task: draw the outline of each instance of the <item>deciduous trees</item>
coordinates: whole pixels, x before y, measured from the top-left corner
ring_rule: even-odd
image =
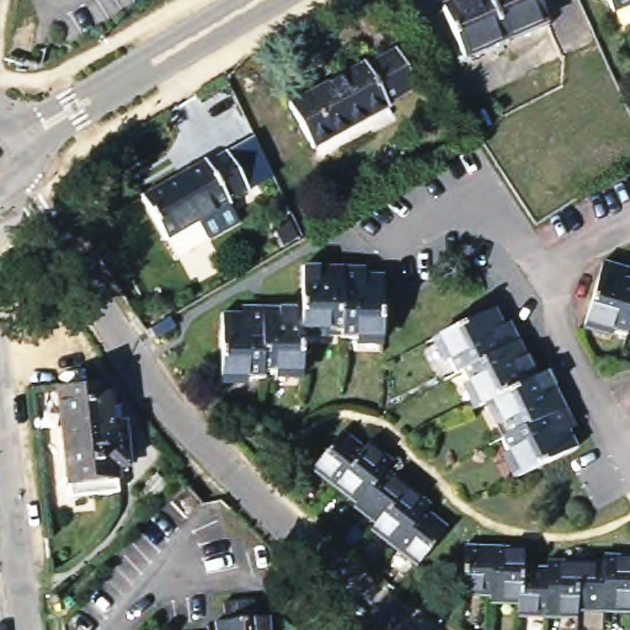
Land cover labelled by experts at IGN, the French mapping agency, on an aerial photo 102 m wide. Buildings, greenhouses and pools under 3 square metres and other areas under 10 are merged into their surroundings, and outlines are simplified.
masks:
[[[246,57],[263,71],[266,79],[273,81],[273,96],[278,98],[285,94],[295,103],[298,91],[305,89],[305,66],[327,62],[330,71],[337,74],[352,59],[357,62],[362,59],[362,54],[369,54],[367,44],[352,42],[352,37],[357,34],[369,34],[374,42],[394,39],[404,47],[404,52],[411,59],[411,91],[426,96],[421,106],[426,108],[426,116],[438,126],[438,130],[423,133],[416,128],[411,118],[401,118],[396,123],[396,130],[386,140],[386,148],[406,150],[404,160],[396,160],[386,172],[374,170],[372,165],[362,165],[354,189],[349,185],[322,177],[317,182],[303,180],[295,185],[300,212],[305,236],[317,251],[322,251],[325,246],[335,246],[335,239],[347,229],[367,226],[364,219],[374,212],[384,207],[394,209],[399,197],[406,197],[413,187],[428,187],[431,180],[441,177],[441,172],[448,172],[445,165],[455,155],[460,158],[477,153],[477,148],[485,145],[485,138],[480,135],[480,121],[468,111],[460,111],[455,91],[448,84],[438,81],[438,76],[455,59],[450,57],[450,49],[445,49],[433,37],[431,27],[421,20],[411,0],[327,0],[313,5],[305,15],[293,15],[285,22],[276,25],[263,37],[263,42]]]
[[[473,234],[450,231],[445,236],[445,251],[441,251],[438,261],[426,258],[428,276],[443,295],[463,293],[470,295],[473,303],[492,293],[487,285],[487,271],[477,263],[482,256],[492,251],[492,241]]]
[[[234,224],[229,224],[229,229],[221,234],[224,239],[219,239],[214,246],[212,263],[217,271],[221,278],[229,281],[246,278],[266,258],[266,246],[276,246],[278,241],[283,241],[283,236],[278,234],[281,212],[276,197],[278,192],[276,180],[263,180],[258,185],[261,194],[246,207],[246,217],[234,219]]]
[[[364,630],[359,625],[362,615],[349,610],[347,605],[340,605],[335,571],[325,561],[308,554],[288,549],[276,564],[268,566],[261,591],[268,596],[271,608],[283,615],[283,630]]]
[[[143,281],[140,271],[145,268],[148,251],[160,239],[140,204],[143,194],[148,197],[155,187],[153,182],[145,182],[145,177],[150,175],[153,162],[162,153],[167,153],[172,143],[160,135],[158,123],[150,116],[128,121],[126,126],[121,126],[121,130],[106,135],[96,148],[91,148],[86,158],[74,160],[69,172],[54,185],[52,207],[39,214],[25,217],[17,226],[10,226],[7,236],[12,246],[0,256],[0,330],[5,337],[15,342],[37,345],[39,340],[49,337],[57,327],[66,327],[69,335],[79,335],[84,327],[94,325],[103,315],[113,298],[128,300],[133,295],[133,285]]]

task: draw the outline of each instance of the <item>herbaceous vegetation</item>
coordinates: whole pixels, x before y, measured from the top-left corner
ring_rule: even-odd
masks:
[[[613,160],[623,155],[630,155],[630,25],[623,25],[618,15],[613,15],[605,7],[605,2],[596,0],[581,0],[586,17],[593,27],[593,34],[600,44],[600,49],[593,54],[588,54],[586,47],[571,49],[492,91],[487,89],[482,66],[470,66],[460,59],[458,57],[455,59],[438,76],[438,81],[448,84],[455,91],[460,111],[468,111],[480,121],[480,135],[485,138],[485,145],[534,219],[544,219],[549,214],[561,217],[561,212],[568,207],[578,209],[586,197],[578,192],[578,187],[586,177],[598,175],[603,167],[608,167]]]
[[[5,22],[5,57],[20,49],[15,39],[20,27],[25,22],[39,22],[32,0],[10,0]]]
[[[47,529],[47,509],[57,504],[49,431],[42,428],[30,441],[37,477],[34,507],[42,529]]]
[[[172,143],[177,138],[180,123],[187,118],[187,111],[167,106],[150,116],[158,123],[160,135]]]
[[[445,554],[455,544],[465,544],[468,539],[487,532],[475,519],[460,514],[458,524],[441,541],[428,541],[428,551],[433,556]]]
[[[519,618],[517,608],[502,615],[502,630],[527,630],[527,620]]]
[[[116,495],[96,495],[94,512],[74,512],[71,522],[62,527],[62,532],[47,529],[44,536],[49,539],[49,554],[71,546],[74,559],[91,551],[121,517]]]
[[[285,443],[288,448],[300,448],[317,460],[330,448],[335,426],[342,421],[340,416],[313,416],[313,411],[303,411],[300,384],[281,386],[273,379],[261,379],[253,389],[234,389],[224,379],[217,381],[217,396],[229,409],[241,409],[256,418],[278,421],[281,428],[263,431],[263,438],[273,443]]]
[[[438,130],[438,126],[426,116],[426,108],[421,106],[426,96],[411,91],[401,94],[401,98],[391,101],[386,108],[394,113],[396,123],[401,118],[411,118],[416,128],[423,133]]]
[[[212,310],[192,320],[185,342],[167,352],[167,367],[180,384],[189,377],[189,369],[204,362],[209,352],[219,349],[219,320]]]
[[[396,327],[391,340],[384,340],[381,345],[379,352],[354,352],[349,340],[340,340],[337,345],[332,345],[332,340],[325,337],[320,327],[310,327],[305,337],[305,362],[317,364],[315,391],[325,401],[357,396],[379,404],[394,404],[399,411],[396,423],[404,428],[428,418],[445,431],[443,453],[433,460],[433,465],[458,490],[460,485],[468,485],[470,490],[477,490],[482,482],[495,482],[502,477],[495,465],[495,455],[502,450],[500,431],[487,426],[482,409],[473,406],[470,401],[463,401],[458,386],[448,381],[443,374],[433,372],[431,362],[426,359],[431,340],[441,330],[463,320],[460,310],[470,308],[473,303],[470,295],[463,293],[443,295],[428,276],[421,281],[416,305],[409,313],[406,322]]]
[[[593,372],[603,379],[623,369],[630,369],[630,364],[591,354]]]
[[[185,266],[177,258],[172,258],[170,249],[160,239],[148,251],[145,268],[140,271],[143,281],[148,290],[162,290],[175,288],[187,276]]]
[[[556,613],[549,613],[541,618],[544,630],[586,630],[586,618],[559,618]]]
[[[630,630],[630,613],[605,613],[603,630]]]
[[[620,497],[605,507],[596,507],[596,524],[605,524],[623,514],[630,514],[630,500]]]
[[[524,497],[507,500],[502,495],[482,495],[473,504],[487,517],[512,527],[522,527],[527,519],[541,519],[532,509],[532,504],[541,500],[541,495],[554,482],[568,482],[573,475],[573,460],[581,460],[583,455],[600,455],[600,448],[593,438],[581,441],[568,448],[568,458],[536,468],[532,473],[536,475],[536,485]]]
[[[86,605],[71,600],[71,608],[64,615],[54,615],[49,600],[39,603],[44,630],[69,630],[69,623],[76,618],[76,610],[84,610]]]
[[[630,544],[630,524],[600,539],[593,539],[591,544]]]
[[[273,96],[273,81],[266,79],[263,71],[246,57],[226,71],[204,81],[197,89],[197,98],[204,101],[214,94],[234,91],[239,96],[241,113],[251,126],[251,133],[266,126],[278,148],[283,172],[290,182],[288,189],[278,192],[276,197],[281,212],[300,212],[295,185],[303,180],[317,182],[322,177],[349,185],[354,189],[362,165],[372,165],[374,170],[386,172],[396,160],[404,160],[406,150],[386,148],[386,140],[396,130],[396,123],[389,123],[379,130],[369,130],[354,138],[352,143],[342,145],[335,155],[320,160],[308,148],[298,123],[290,118],[285,106],[278,103],[278,98]]]

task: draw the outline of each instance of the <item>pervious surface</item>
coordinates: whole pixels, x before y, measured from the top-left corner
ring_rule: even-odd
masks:
[[[399,448],[406,453],[406,458],[436,480],[445,504],[450,504],[460,514],[475,519],[487,532],[507,536],[536,534],[551,544],[591,544],[593,539],[600,539],[630,524],[630,514],[623,514],[605,524],[596,524],[581,532],[554,532],[541,519],[527,519],[522,527],[512,527],[487,517],[473,504],[460,497],[458,490],[433,465],[433,460],[413,450],[404,428],[396,423],[374,413],[349,409],[340,411],[340,416],[342,421],[357,421],[364,426],[389,431],[396,438]]]
[[[71,600],[59,600],[57,588],[66,578],[76,576],[86,564],[96,561],[118,539],[118,534],[128,532],[128,524],[135,517],[133,490],[121,490],[116,495],[121,517],[91,551],[74,559],[74,564],[62,571],[57,571],[49,561],[39,571],[39,603],[49,600],[54,615],[64,615],[71,608]]]

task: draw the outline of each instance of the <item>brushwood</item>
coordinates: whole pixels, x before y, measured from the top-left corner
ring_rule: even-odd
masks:
[[[155,492],[145,487],[145,482],[135,482],[133,487],[133,490],[135,517],[128,524],[128,532],[118,534],[118,539],[96,561],[86,564],[76,576],[66,578],[57,588],[59,600],[71,600],[86,605],[103,596],[116,566],[121,566],[121,554],[135,541],[140,541],[135,522],[150,522],[150,517],[158,512]]]
[[[34,418],[44,416],[44,394],[54,389],[49,381],[32,381],[25,389],[22,396],[27,401],[27,416]]]
[[[57,571],[62,571],[74,564],[74,559],[71,546],[49,554],[49,561]]]
[[[290,536],[273,539],[258,524],[258,519],[241,507],[234,514],[236,519],[244,519],[249,529],[258,536],[268,566],[276,564],[288,549],[308,554],[308,544],[293,541]]]
[[[596,524],[596,507],[581,490],[578,477],[573,475],[568,482],[554,482],[541,495],[541,500],[532,504],[532,509],[541,519],[554,532],[581,532]]]
[[[428,418],[404,428],[413,450],[433,460],[443,453],[445,431]]]
[[[69,39],[66,32],[52,25],[49,37],[44,39],[47,49],[39,49],[37,62],[47,69],[54,69],[62,62],[91,49],[94,44],[98,44],[98,39],[116,34],[118,30],[128,27],[130,22],[145,17],[148,12],[162,7],[170,0],[133,0],[133,5],[123,7],[118,15],[103,22],[96,22],[96,27],[84,27],[84,32],[76,39]]]
[[[47,91],[7,89],[7,98],[15,101],[44,101],[47,96]]]
[[[591,354],[630,364],[630,335],[625,340],[605,340],[600,345],[586,325],[576,327],[576,337],[583,347],[591,349]]]
[[[221,278],[217,271],[204,281],[194,281],[187,276],[175,288],[162,290],[148,290],[143,281],[133,285],[133,295],[128,300],[143,327],[150,327],[158,332],[158,337],[170,340],[182,327],[180,308],[192,305],[199,298],[199,293],[224,288],[229,281]]]
[[[347,500],[342,487],[332,487],[327,485],[327,480],[322,480],[317,460],[300,448],[288,448],[285,443],[273,443],[263,438],[263,431],[281,428],[278,421],[256,418],[241,409],[229,409],[217,396],[217,381],[224,379],[219,349],[209,352],[204,362],[189,369],[189,377],[180,384],[187,399],[197,404],[209,418],[209,433],[219,441],[241,445],[253,460],[253,465],[261,470],[263,480],[303,507],[303,522],[317,522],[317,517],[325,514],[325,504],[330,500],[335,504]]]
[[[470,490],[468,485],[460,485],[458,490],[460,497],[473,504],[482,495],[502,495],[507,500],[524,497],[536,485],[536,475],[532,473],[514,475],[502,477],[495,482],[482,482],[477,490]]]
[[[187,480],[182,477],[182,465],[187,465],[189,460],[187,453],[175,443],[175,438],[162,428],[158,418],[150,421],[148,436],[150,448],[158,448],[158,465],[162,477],[160,492],[170,502],[182,487],[187,487]]]
[[[69,507],[57,504],[47,509],[47,529],[62,532],[62,527],[71,522],[74,512]]]
[[[143,101],[153,98],[158,89],[148,89],[126,101],[123,106],[106,111],[101,123],[108,123],[111,118],[130,108],[138,108]]]
[[[613,160],[608,167],[603,167],[598,175],[586,177],[578,187],[578,192],[586,197],[593,199],[593,194],[613,187],[615,182],[623,182],[630,175],[630,155],[623,155]]]
[[[300,379],[300,384],[303,411],[313,411],[313,416],[340,416],[340,411],[349,409],[374,413],[396,423],[399,411],[394,404],[379,404],[357,396],[325,401],[315,391],[317,364],[305,362],[305,377]]]
[[[101,59],[91,62],[81,71],[76,71],[74,79],[89,79],[91,74],[113,64],[116,59],[126,57],[128,47],[123,44],[103,54]]]
[[[445,554],[433,556],[428,551],[416,566],[406,571],[401,576],[404,588],[416,591],[426,600],[428,610],[445,620],[448,630],[502,630],[502,615],[502,608],[492,603],[492,598],[475,596],[473,583],[465,586],[458,578],[455,566],[448,561]]]

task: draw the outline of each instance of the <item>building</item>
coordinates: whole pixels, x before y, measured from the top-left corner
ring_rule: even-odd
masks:
[[[490,47],[492,42],[544,25],[546,20],[539,12],[539,5],[544,0],[450,0],[450,7],[443,7],[443,17],[458,44],[458,57],[460,59],[470,52]]]
[[[261,194],[258,185],[263,180],[276,180],[278,192],[288,189],[290,182],[283,172],[278,148],[266,126],[251,133],[231,145],[219,145],[199,155],[197,160],[187,162],[185,167],[153,182],[155,187],[148,197],[160,209],[172,236],[192,224],[202,224],[204,234],[214,246],[219,239],[224,239],[221,234],[229,229],[229,224],[234,224],[234,219],[246,217],[246,207]]]
[[[468,539],[465,544],[455,544],[445,554],[448,561],[455,566],[458,578],[465,586],[473,583],[475,596],[492,598],[492,603],[502,608],[502,615],[517,608],[519,618],[527,620],[527,630],[544,630],[541,618],[549,613],[556,613],[559,618],[586,618],[586,630],[603,630],[605,613],[630,613],[630,544],[591,544],[551,544],[536,534],[507,536],[487,532]]]
[[[37,428],[42,428],[49,431],[57,504],[69,507],[74,512],[94,512],[96,495],[116,495],[121,490],[133,490],[133,487],[128,480],[133,477],[133,463],[150,448],[148,436],[133,428],[130,413],[123,413],[123,406],[113,399],[113,391],[94,396],[86,389],[86,381],[79,381],[76,377],[71,377],[69,381],[59,381],[54,389],[44,394],[44,416],[34,418]]]
[[[273,615],[241,615],[221,620],[217,615],[207,628],[194,628],[194,623],[189,623],[185,615],[170,615],[167,608],[162,608],[155,613],[155,620],[162,630],[273,630]]]
[[[342,251],[340,246],[335,246],[325,246],[322,251],[317,251],[310,256],[310,263],[298,271],[300,293],[251,293],[249,298],[234,298],[212,310],[219,320],[219,349],[224,379],[234,389],[253,389],[261,379],[273,379],[281,386],[300,384],[300,379],[305,377],[305,362],[305,337],[310,327],[320,327],[325,337],[332,340],[335,327],[352,327],[362,342],[381,345],[384,340],[391,340],[396,327],[406,322],[409,313],[416,305],[421,281],[416,273],[413,256],[391,261],[374,253]]]
[[[362,59],[357,62],[352,59],[337,74],[330,71],[327,62],[305,66],[305,89],[298,91],[295,103],[305,116],[315,140],[320,143],[386,108],[391,101],[401,98],[401,94],[411,91],[411,59],[404,52],[404,47],[394,39],[374,42],[369,34],[357,34],[352,37],[352,42],[367,44],[369,54],[362,54]]]
[[[600,345],[605,340],[625,340],[630,335],[630,249],[618,249],[605,258],[600,290],[588,295],[586,325]]]
[[[377,527],[389,551],[394,554],[391,566],[396,571],[406,571],[416,566],[428,551],[428,541],[441,541],[458,524],[460,514],[450,504],[445,504],[436,480],[406,458],[406,453],[399,448],[396,438],[389,431],[364,426],[357,421],[342,421],[335,426],[330,448],[317,460],[322,480],[327,480],[327,485],[332,487],[342,487],[347,500],[367,522]]]
[[[283,241],[305,236],[300,212],[281,212],[278,234],[283,236]]]
[[[596,0],[605,2],[605,7],[613,15],[618,15],[623,25],[630,25],[630,0]]]
[[[426,359],[431,362],[433,372],[443,374],[448,381],[458,386],[463,401],[470,401],[473,406],[482,409],[487,426],[500,431],[502,450],[514,455],[514,475],[532,473],[536,468],[568,458],[568,448],[581,441],[576,438],[576,421],[554,369],[534,374],[534,357],[527,352],[519,327],[504,320],[500,308],[463,320],[441,330],[431,340]]]

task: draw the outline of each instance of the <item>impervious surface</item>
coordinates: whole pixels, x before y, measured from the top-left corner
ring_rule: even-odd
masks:
[[[143,194],[140,204],[160,239],[170,249],[172,258],[177,258],[185,266],[187,276],[194,281],[204,281],[217,271],[212,263],[214,246],[204,234],[202,224],[192,224],[172,236],[160,209],[148,197]]]
[[[52,25],[66,32],[69,39],[76,39],[84,32],[84,27],[96,27],[96,22],[103,22],[118,15],[123,7],[133,5],[133,0],[32,0],[39,22],[25,22],[20,27],[15,39],[20,49],[5,57],[5,22],[10,0],[0,0],[0,256],[12,246],[7,236],[10,226],[17,226],[25,217],[39,214],[52,207],[54,185],[69,172],[74,160],[86,158],[91,148],[96,148],[106,135],[121,130],[121,126],[126,126],[128,121],[150,116],[167,106],[187,111],[187,118],[180,123],[177,138],[172,143],[167,153],[162,153],[153,162],[150,175],[145,177],[145,182],[153,182],[185,167],[187,162],[197,160],[199,155],[219,145],[231,145],[251,133],[251,126],[241,113],[239,96],[234,91],[214,94],[204,101],[197,98],[197,89],[204,81],[226,71],[246,57],[263,42],[263,37],[276,25],[285,22],[293,15],[305,15],[313,5],[327,0],[170,0],[162,7],[148,12],[145,17],[130,22],[128,27],[118,30],[116,34],[98,39],[98,44],[94,44],[91,49],[62,62],[54,69],[47,69],[37,62],[39,49],[47,49],[44,39],[49,37]],[[76,71],[81,71],[91,62],[101,59],[103,54],[123,44],[128,47],[126,57],[116,59],[113,64],[91,74],[89,79],[74,79]],[[47,96],[44,101],[15,101],[7,98],[7,89],[47,91]],[[148,89],[158,89],[153,98],[143,101],[138,108],[130,108],[111,118],[108,123],[101,123],[106,111],[123,106],[126,101]]]
[[[258,524],[273,539],[290,536],[293,541],[308,544],[308,554],[325,561],[335,571],[340,605],[347,605],[349,610],[362,615],[359,625],[364,630],[448,630],[445,620],[428,610],[426,600],[416,591],[404,588],[401,576],[406,571],[396,571],[391,566],[394,554],[389,551],[377,527],[367,522],[347,500],[335,504],[330,500],[325,504],[325,514],[317,517],[317,522],[303,522],[303,507],[263,480],[261,470],[253,465],[253,460],[241,445],[219,441],[209,433],[209,418],[197,404],[187,399],[180,384],[167,367],[167,352],[185,342],[192,320],[212,310],[234,298],[249,298],[251,293],[300,293],[298,271],[310,263],[310,256],[317,251],[305,236],[283,241],[278,241],[276,246],[266,246],[266,258],[246,278],[229,281],[224,288],[199,293],[199,298],[192,305],[180,308],[182,327],[170,340],[158,337],[158,332],[150,327],[143,327],[128,300],[113,298],[103,315],[94,325],[84,327],[79,335],[69,335],[66,327],[57,327],[49,337],[39,340],[37,345],[15,342],[5,337],[0,330],[0,630],[44,630],[39,603],[39,571],[49,561],[49,554],[49,539],[44,536],[47,529],[42,529],[34,507],[37,477],[30,441],[42,428],[37,428],[34,418],[27,416],[27,401],[22,396],[25,389],[32,381],[49,381],[54,389],[59,381],[69,381],[71,377],[76,377],[79,381],[86,381],[86,389],[94,396],[113,391],[113,399],[123,406],[123,413],[130,413],[133,428],[148,436],[150,421],[158,418],[162,428],[175,438],[175,443],[187,453],[189,460],[187,465],[182,465],[182,477],[187,480],[187,487],[182,487],[170,502],[160,492],[162,477],[158,465],[158,448],[150,448],[133,463],[133,477],[128,480],[133,487],[135,482],[145,482],[145,487],[155,492],[158,512],[150,517],[150,522],[135,522],[140,541],[135,541],[121,554],[121,566],[116,566],[103,596],[86,605],[84,610],[76,610],[76,618],[69,623],[69,630],[162,630],[155,620],[155,613],[162,608],[167,608],[170,615],[185,615],[189,623],[194,623],[194,628],[207,628],[217,615],[221,620],[241,615],[273,615],[273,630],[283,630],[283,615],[271,608],[268,596],[261,591],[268,566],[258,536],[249,529],[244,519],[236,519],[234,514],[241,507],[258,519]]]
[[[495,455],[495,465],[502,477],[514,475],[514,455],[502,450]]]
[[[421,20],[431,27],[433,37],[445,49],[450,49],[450,57],[455,59],[458,57],[458,44],[443,17],[443,7],[450,7],[450,0],[411,0]]]
[[[539,5],[539,12],[546,20],[544,25],[492,42],[490,47],[470,52],[460,59],[470,66],[482,66],[487,89],[492,91],[571,49],[586,47],[588,54],[593,54],[600,49],[600,44],[593,34],[593,27],[586,17],[581,0],[544,0]]]
[[[362,342],[352,327],[335,327],[332,340],[332,345],[337,345],[340,340],[349,340],[354,352],[379,352],[381,345]]]
[[[406,197],[399,197],[394,209],[384,207],[374,212],[364,219],[367,226],[347,229],[335,239],[335,246],[340,246],[342,251],[374,253],[391,261],[413,256],[416,273],[421,281],[428,276],[426,258],[438,261],[441,251],[445,251],[445,236],[450,231],[473,234],[492,241],[492,251],[482,256],[477,263],[487,271],[487,285],[492,293],[473,303],[470,308],[460,310],[463,320],[500,308],[504,320],[519,327],[527,352],[534,357],[534,374],[554,369],[576,421],[576,438],[581,441],[593,438],[600,448],[600,455],[583,455],[581,460],[573,460],[573,475],[578,477],[581,490],[596,507],[605,507],[620,497],[630,500],[630,369],[623,369],[603,379],[593,372],[591,354],[591,349],[583,347],[576,337],[576,327],[586,325],[588,295],[600,290],[605,258],[618,249],[630,249],[630,175],[623,182],[615,182],[613,187],[593,194],[593,199],[586,197],[578,209],[568,207],[561,212],[561,217],[549,214],[544,219],[534,219],[485,145],[477,148],[477,153],[460,158],[455,155],[445,165],[448,172],[441,172],[441,177],[431,180],[428,187],[413,187]]]
[[[320,160],[335,155],[342,145],[352,143],[354,138],[369,130],[379,130],[389,123],[396,123],[394,113],[386,108],[320,143],[315,140],[305,116],[295,103],[285,94],[278,98],[278,103],[285,106],[290,118],[298,123],[308,148]]]

